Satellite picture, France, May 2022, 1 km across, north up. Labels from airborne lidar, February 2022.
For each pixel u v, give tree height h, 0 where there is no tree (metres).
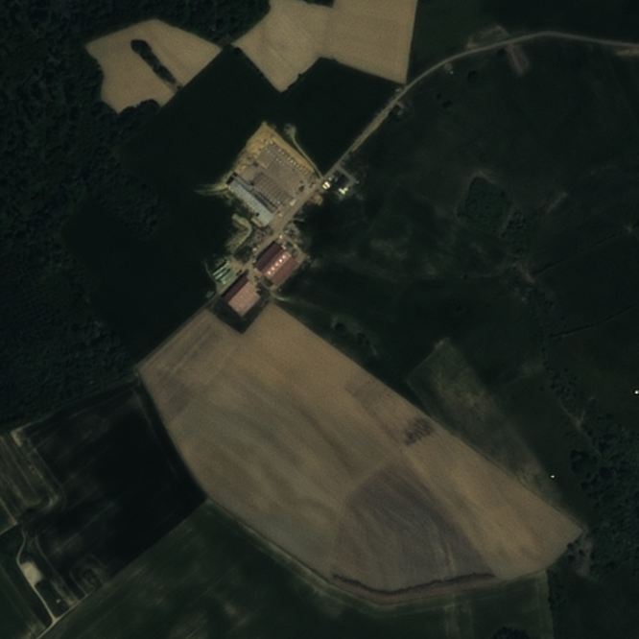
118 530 0
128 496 0
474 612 0
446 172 0
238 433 0
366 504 0
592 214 0
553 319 0
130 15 21
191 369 0
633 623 0
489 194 6
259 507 0
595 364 0
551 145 0
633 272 0
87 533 0
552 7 0
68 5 21
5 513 0
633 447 23
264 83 0
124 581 0
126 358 10
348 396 0
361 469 0
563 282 0
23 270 10
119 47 0
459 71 0
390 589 0
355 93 0
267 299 0
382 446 0
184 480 0
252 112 0
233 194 0
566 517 0
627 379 0
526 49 0
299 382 0
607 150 0
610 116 0
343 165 0
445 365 0
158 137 0
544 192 0
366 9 0
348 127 0
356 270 0
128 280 0
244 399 0
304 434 0
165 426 0
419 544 0
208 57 0
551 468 0
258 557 0
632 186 0
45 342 9
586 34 0
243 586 0
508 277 0
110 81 0
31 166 29
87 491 0
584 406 0
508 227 7
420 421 0
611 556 7
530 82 0
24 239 24
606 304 0
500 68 0
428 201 0
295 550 0
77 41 21
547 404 0
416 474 0
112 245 0
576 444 0
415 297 0
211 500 0
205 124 0
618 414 0
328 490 0
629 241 0
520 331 0
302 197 0
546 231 0
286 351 0
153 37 0
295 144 0
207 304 0
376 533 0
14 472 0
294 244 0
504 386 0
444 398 0
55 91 35
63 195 7
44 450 0
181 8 20
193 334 0
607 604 0
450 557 0
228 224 0
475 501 0
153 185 0
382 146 0
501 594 0
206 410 0
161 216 12
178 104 0
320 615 0
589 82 0
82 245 0
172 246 0
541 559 0
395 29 0
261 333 0
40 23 34
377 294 0
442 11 0
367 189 0
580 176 0
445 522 0
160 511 0
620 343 0
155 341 0
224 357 0
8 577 0
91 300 0
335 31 0
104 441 0
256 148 0
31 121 31
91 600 0
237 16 18
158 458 0
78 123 23
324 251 0
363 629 0
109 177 11
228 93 0
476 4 0
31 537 0
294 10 0
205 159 0
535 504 0
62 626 0
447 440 0
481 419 0
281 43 0
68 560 0
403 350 0
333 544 0
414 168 0
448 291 0
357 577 0
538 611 0
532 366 0
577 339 0
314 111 0
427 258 0
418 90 0
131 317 0
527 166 0
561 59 0
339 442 0
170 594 0
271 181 0
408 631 0
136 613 0
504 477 0
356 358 0
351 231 0
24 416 12
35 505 0
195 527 0
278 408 0
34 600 0
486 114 0
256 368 0
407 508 0
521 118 0
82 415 0
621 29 0
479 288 0
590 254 0
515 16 0
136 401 0
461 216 6
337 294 0
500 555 0
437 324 0
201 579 0
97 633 0
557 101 0
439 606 0
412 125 0
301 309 0
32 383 11
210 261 0
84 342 7
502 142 0
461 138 0
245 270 0
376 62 0
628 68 0
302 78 8
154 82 0
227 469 0
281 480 0
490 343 0
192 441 0
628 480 24
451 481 0
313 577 0
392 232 0
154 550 0
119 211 11
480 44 0
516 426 0
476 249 0
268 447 0
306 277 0
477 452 0
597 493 12
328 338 0
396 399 0
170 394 0
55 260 10
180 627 0
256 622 0
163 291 0
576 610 0
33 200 9
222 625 0
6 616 0
